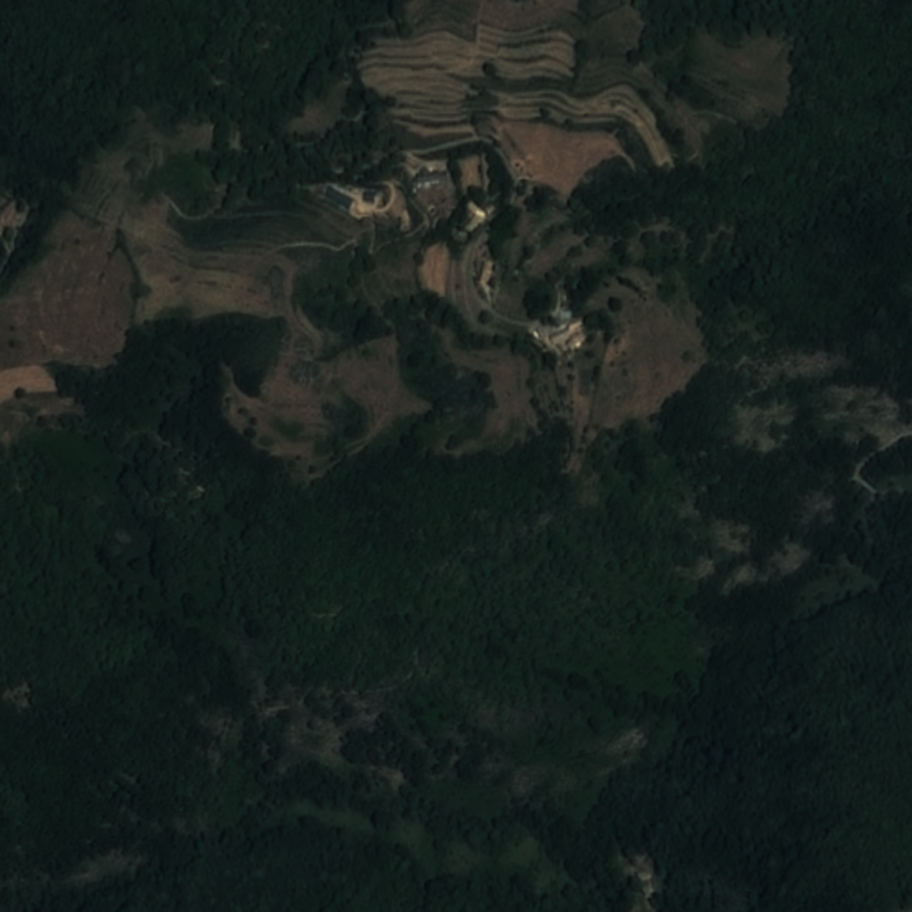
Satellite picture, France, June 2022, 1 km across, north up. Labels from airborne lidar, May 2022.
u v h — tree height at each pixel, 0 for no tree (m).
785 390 11
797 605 6
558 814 9
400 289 0
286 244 0
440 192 0
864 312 10
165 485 17
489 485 13
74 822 22
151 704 17
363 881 12
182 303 0
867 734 21
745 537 7
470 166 0
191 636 21
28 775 22
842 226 20
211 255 0
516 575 11
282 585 13
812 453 12
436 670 10
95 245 0
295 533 12
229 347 12
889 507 9
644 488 17
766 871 16
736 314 8
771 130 10
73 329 0
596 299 0
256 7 14
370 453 13
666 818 16
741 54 0
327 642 10
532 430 9
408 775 18
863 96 14
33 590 21
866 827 21
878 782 20
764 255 17
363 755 19
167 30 15
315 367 0
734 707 21
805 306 16
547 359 13
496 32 0
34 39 17
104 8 10
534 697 7
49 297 0
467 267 0
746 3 11
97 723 19
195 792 13
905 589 19
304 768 16
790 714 23
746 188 12
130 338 9
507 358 0
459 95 0
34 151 19
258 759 25
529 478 17
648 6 11
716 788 18
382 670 7
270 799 10
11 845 20
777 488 11
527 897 15
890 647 12
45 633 17
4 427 0
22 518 12
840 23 18
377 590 14
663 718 8
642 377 0
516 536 8
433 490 18
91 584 14
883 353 9
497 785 12
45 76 21
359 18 6
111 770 27
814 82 13
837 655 14
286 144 6
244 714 19
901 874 13
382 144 10
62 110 19
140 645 13
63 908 23
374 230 0
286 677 6
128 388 15
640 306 0
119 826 13
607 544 9
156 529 22
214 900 15
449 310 17
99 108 18
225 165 19
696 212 14
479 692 10
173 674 18
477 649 6
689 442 14
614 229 12
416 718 17
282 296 0
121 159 0
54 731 19
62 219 0
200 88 19
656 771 18
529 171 0
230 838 22
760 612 22
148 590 14
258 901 19
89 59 18
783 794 25
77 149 8
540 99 0
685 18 16
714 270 6
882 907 19
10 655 12
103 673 14
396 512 13
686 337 0
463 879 15
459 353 0
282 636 9
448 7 0
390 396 0
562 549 13
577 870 21
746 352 10
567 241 0
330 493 12
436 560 11
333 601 11
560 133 0
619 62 0
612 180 7
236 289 0
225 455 9
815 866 22
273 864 15
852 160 17
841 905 21
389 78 0
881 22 12
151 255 0
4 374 0
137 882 15
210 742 12
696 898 12
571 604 10
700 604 16
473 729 8
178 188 0
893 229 20
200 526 15
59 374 9
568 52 0
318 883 12
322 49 6
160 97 14
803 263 14
